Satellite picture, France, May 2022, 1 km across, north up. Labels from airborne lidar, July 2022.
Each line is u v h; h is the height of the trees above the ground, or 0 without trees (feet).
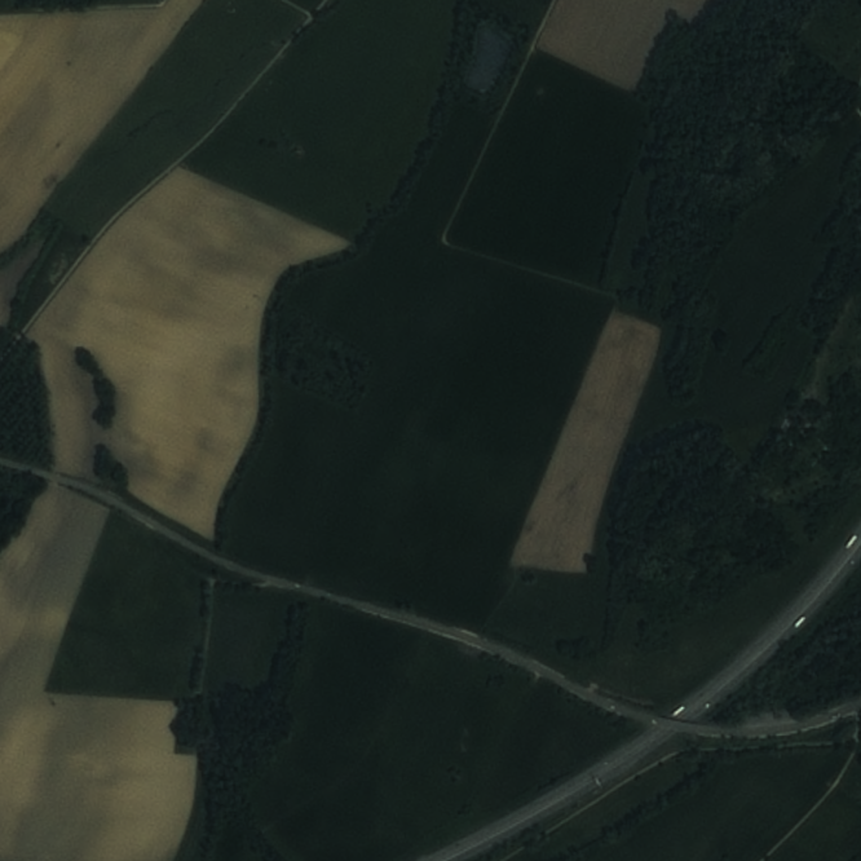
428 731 0
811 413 48
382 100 0
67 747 0
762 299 0
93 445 0
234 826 62
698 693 0
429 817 0
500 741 0
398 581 0
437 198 0
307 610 33
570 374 0
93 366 45
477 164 0
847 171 43
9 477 21
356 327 0
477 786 0
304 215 0
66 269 0
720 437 65
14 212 0
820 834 0
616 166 0
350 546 0
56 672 0
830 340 34
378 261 0
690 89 71
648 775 0
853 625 54
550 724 0
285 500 0
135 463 0
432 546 0
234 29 0
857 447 36
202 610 31
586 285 0
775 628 0
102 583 0
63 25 0
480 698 0
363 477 0
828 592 0
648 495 77
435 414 0
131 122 0
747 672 0
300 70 0
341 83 0
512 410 0
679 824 0
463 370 0
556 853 0
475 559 0
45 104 0
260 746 90
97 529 0
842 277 28
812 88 31
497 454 0
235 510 0
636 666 0
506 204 0
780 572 47
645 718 0
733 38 80
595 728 0
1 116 0
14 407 83
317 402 0
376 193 0
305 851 0
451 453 0
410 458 0
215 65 0
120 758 0
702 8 0
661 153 62
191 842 0
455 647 0
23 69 0
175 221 0
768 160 64
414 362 0
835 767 0
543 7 0
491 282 0
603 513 0
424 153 60
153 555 0
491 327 0
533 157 0
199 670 59
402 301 0
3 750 0
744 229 0
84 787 0
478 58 0
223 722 104
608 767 0
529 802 0
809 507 40
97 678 0
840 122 50
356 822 0
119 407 0
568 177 0
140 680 0
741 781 0
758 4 78
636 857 0
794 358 0
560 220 0
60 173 0
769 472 71
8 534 52
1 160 0
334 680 0
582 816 0
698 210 56
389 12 0
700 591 55
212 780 68
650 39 0
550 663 0
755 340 0
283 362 80
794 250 0
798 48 39
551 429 0
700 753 30
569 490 0
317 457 0
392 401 0
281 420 0
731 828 0
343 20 0
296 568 0
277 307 35
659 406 0
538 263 0
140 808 0
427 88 0
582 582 0
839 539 0
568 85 0
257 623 0
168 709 0
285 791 0
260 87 0
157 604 0
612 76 0
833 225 50
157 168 0
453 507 0
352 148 0
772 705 26
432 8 0
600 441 0
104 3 0
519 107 0
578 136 0
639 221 0
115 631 0
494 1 0
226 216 0
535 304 0
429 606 0
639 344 0
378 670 0
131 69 0
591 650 22
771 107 47
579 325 0
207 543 0
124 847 0
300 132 0
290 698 40
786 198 0
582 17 0
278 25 0
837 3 53
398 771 0
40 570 0
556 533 0
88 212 0
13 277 0
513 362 0
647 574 72
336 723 0
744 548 66
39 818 0
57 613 0
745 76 86
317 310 0
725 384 0
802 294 0
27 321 0
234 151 0
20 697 0
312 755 0
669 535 76
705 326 53
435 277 0
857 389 28
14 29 0
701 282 47
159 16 0
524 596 0
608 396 0
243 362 0
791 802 0
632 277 0
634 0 0
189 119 0
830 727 20
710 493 89
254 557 0
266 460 0
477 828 0
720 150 80
